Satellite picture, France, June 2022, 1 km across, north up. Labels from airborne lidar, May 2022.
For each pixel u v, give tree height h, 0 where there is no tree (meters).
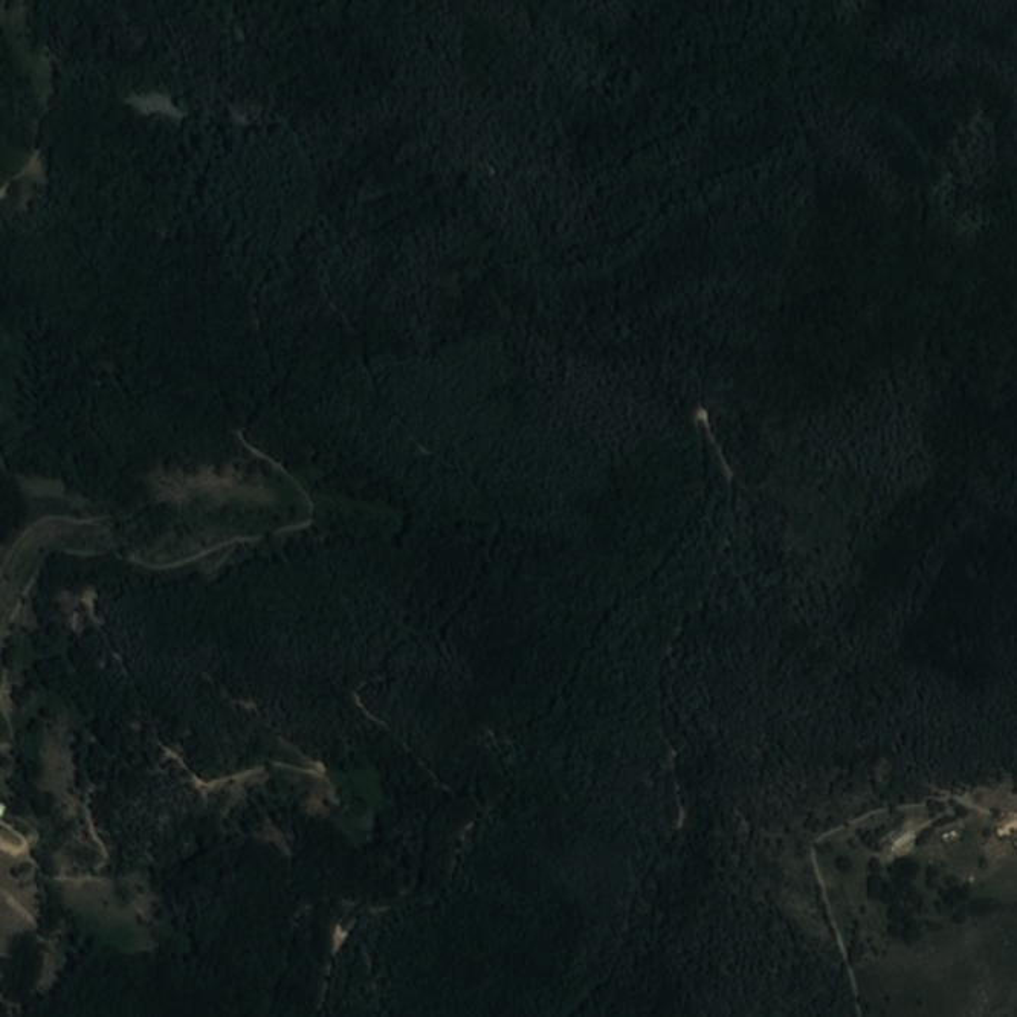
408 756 7
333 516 6
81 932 5
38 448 17
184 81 14
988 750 18
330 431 16
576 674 11
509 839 12
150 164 20
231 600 17
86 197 20
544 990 15
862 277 14
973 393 28
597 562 18
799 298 12
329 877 16
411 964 12
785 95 8
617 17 22
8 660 15
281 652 20
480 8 23
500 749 7
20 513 15
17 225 23
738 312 13
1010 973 0
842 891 0
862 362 14
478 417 16
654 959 16
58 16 13
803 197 20
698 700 12
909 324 16
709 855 7
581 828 13
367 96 24
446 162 15
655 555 17
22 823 8
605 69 22
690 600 11
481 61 22
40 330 16
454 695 17
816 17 12
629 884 11
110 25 11
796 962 7
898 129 31
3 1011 15
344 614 20
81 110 22
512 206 12
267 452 6
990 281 18
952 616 17
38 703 0
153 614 17
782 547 10
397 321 21
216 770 13
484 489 16
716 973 16
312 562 20
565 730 12
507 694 15
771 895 14
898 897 14
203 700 17
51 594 11
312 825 21
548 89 18
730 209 27
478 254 8
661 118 8
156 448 18
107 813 12
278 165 37
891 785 8
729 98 16
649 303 20
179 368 21
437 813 17
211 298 15
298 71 25
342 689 16
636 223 26
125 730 19
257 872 14
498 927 16
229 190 37
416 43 15
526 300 9
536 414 15
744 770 19
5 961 12
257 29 11
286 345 12
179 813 7
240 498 0
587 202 26
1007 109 15
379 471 18
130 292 19
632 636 13
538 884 13
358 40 25
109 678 15
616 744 14
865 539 15
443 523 25
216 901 17
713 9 20
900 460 18
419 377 24
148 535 7
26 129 20
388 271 18
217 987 27
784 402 11
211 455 12
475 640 20
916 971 0
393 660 20
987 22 22
